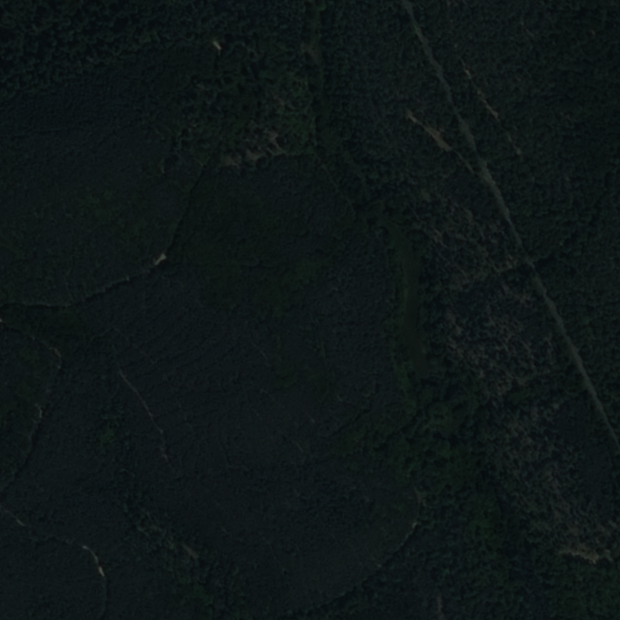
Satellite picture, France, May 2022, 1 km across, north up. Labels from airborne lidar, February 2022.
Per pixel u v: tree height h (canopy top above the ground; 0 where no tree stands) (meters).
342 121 19
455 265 31
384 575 18
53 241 19
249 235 21
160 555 24
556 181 34
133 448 18
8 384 18
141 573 20
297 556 18
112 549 21
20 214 21
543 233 28
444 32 25
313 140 11
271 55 27
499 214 28
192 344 15
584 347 23
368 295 15
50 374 19
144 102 20
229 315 15
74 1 12
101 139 17
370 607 16
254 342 16
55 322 18
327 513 21
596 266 27
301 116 31
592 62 29
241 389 16
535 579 28
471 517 25
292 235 17
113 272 19
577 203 29
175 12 31
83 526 23
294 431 14
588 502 25
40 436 19
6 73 30
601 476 12
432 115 28
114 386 21
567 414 10
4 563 20
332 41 26
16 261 16
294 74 27
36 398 20
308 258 19
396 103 29
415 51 28
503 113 29
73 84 16
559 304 23
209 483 19
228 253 19
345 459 21
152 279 19
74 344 22
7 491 18
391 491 19
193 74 9
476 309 12
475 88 23
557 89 28
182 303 15
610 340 29
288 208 17
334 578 20
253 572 19
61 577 20
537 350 10
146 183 16
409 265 0
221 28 10
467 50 23
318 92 21
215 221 20
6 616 19
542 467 28
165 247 16
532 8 24
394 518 20
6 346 18
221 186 19
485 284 10
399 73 29
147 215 20
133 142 21
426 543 18
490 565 11
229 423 14
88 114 16
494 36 25
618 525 16
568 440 11
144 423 16
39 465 20
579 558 0
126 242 15
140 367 15
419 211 28
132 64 19
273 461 17
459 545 13
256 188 18
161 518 24
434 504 19
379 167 28
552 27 22
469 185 11
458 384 22
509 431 27
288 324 19
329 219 14
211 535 16
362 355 13
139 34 30
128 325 14
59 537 20
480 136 25
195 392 15
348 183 18
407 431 27
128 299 15
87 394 19
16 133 13
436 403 28
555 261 26
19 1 33
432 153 21
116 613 19
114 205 17
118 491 22
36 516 15
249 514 19
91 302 20
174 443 15
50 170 16
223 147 12
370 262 17
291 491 22
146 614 21
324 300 18
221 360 15
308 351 20
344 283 14
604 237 30
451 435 0
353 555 18
